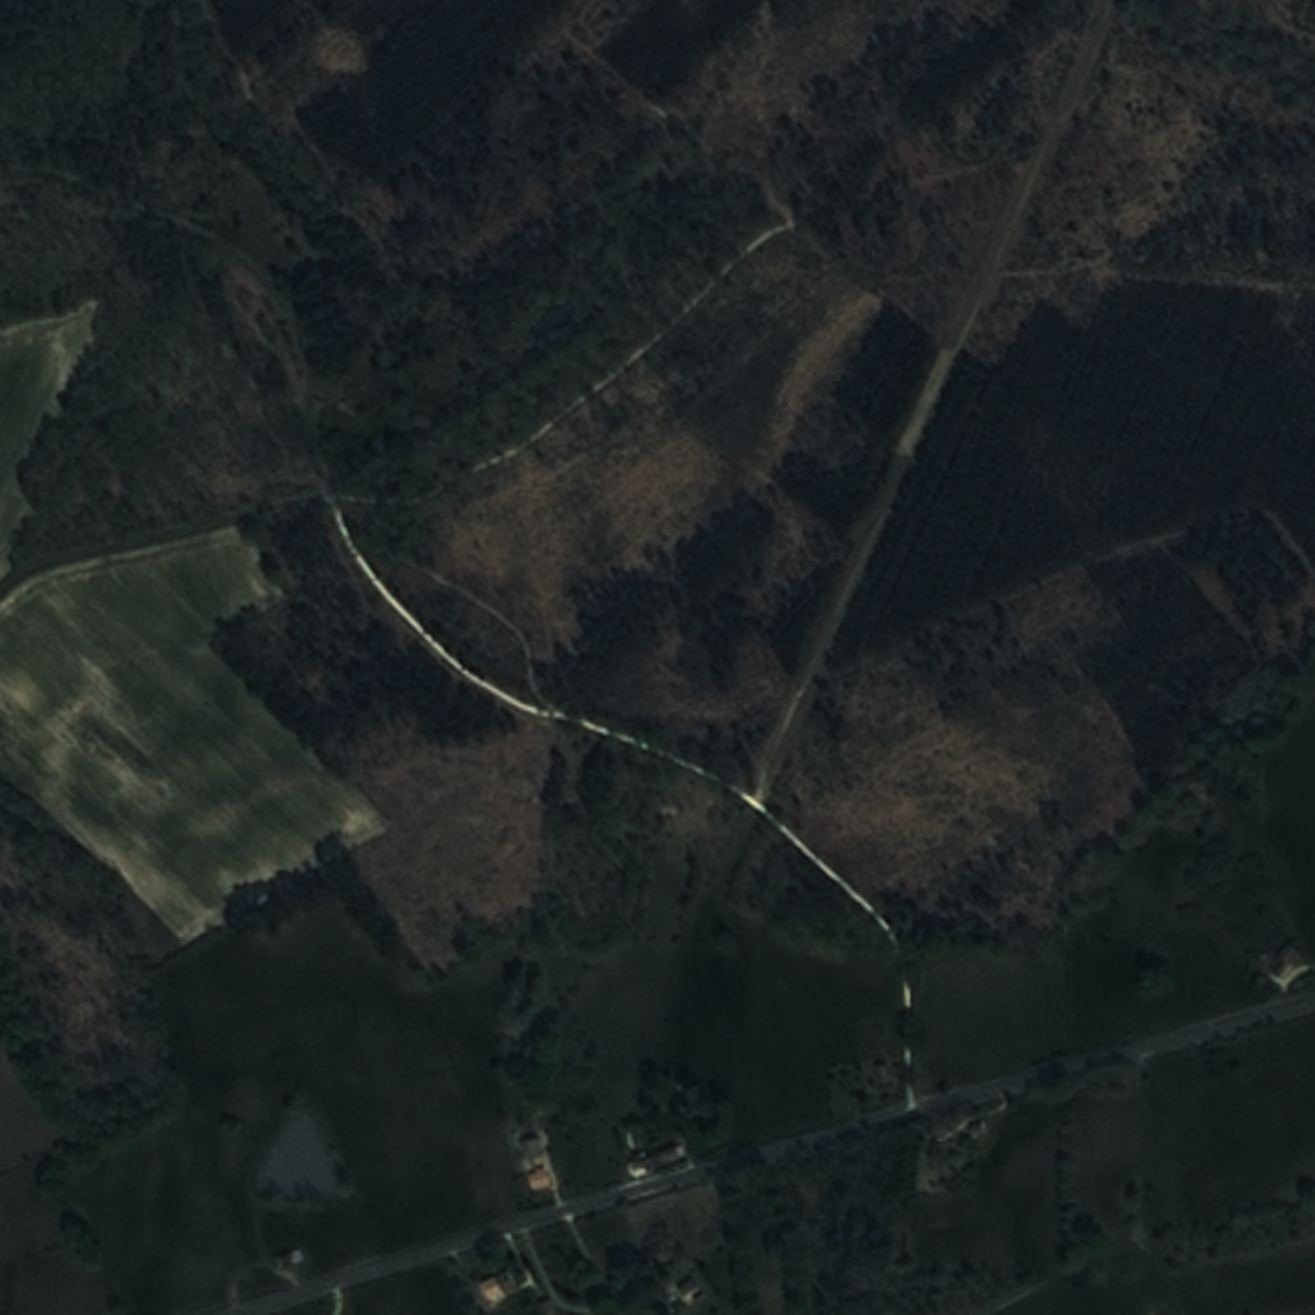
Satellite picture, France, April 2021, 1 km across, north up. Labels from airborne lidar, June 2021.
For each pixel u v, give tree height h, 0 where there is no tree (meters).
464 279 14
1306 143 6
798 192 12
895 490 0
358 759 10
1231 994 0
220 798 0
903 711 0
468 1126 0
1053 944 11
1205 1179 0
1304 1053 0
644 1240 0
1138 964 0
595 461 7
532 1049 15
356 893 24
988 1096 0
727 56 22
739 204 18
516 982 17
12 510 0
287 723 15
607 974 0
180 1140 0
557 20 8
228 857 0
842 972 0
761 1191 17
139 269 10
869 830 0
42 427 0
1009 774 0
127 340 16
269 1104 0
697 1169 0
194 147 14
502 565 0
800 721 0
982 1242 0
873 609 12
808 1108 0
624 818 15
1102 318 9
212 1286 0
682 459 0
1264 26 15
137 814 0
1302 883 0
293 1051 0
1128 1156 0
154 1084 20
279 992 0
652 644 22
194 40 19
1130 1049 0
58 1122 18
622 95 6
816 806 0
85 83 21
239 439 14
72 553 17
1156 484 11
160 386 21
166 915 0
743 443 0
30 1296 0
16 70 21
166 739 0
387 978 0
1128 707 9
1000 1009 0
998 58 16
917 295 12
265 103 6
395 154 13
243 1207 0
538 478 0
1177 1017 0
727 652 10
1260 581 13
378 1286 0
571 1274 8
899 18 10
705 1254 0
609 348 18
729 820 10
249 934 25
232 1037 0
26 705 0
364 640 13
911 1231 8
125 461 24
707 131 14
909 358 13
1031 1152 0
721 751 13
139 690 0
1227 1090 0
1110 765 7
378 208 6
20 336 0
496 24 15
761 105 0
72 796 0
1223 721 6
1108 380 10
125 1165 0
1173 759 14
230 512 12
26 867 13
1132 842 17
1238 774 12
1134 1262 0
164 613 0
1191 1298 0
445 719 13
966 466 14
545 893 9
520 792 0
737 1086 0
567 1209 0
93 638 0
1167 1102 0
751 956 0
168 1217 0
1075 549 11
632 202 20
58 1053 18
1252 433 10
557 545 0
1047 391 11
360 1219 0
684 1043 0
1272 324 11
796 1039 0
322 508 13
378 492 13
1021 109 22
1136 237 0
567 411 12
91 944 0
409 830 0
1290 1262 0
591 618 19
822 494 13
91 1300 0
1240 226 15
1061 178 7
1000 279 0
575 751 7
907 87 20
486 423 13
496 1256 18
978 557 13
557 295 20
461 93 14
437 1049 0
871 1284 10
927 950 15
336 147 15
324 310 20
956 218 10
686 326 10
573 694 20
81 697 0
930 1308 12
